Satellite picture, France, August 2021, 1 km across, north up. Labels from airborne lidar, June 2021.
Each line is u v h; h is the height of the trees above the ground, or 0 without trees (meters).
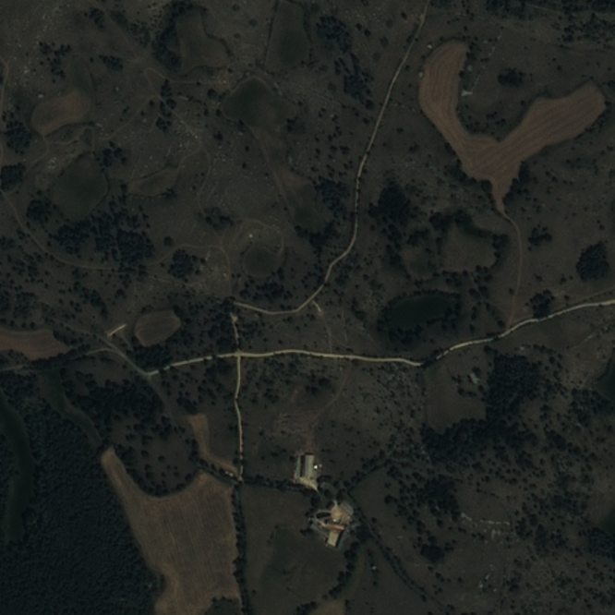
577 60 0
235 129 0
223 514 0
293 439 0
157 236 0
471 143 0
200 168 0
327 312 0
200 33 0
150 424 7
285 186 0
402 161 0
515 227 0
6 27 0
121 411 10
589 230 0
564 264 0
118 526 13
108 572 13
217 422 0
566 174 0
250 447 0
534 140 0
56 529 18
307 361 0
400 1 0
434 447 11
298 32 0
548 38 0
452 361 0
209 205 0
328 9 0
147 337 0
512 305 0
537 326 0
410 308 0
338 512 0
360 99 12
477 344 0
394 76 0
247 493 0
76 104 0
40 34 0
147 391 7
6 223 0
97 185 0
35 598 18
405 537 0
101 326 0
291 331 0
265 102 0
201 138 0
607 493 0
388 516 0
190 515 0
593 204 0
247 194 0
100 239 8
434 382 0
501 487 0
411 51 0
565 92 0
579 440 0
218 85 0
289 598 0
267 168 0
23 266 9
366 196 0
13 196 0
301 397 0
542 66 0
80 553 17
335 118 6
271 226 0
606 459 0
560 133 0
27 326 8
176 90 0
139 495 0
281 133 0
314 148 0
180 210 0
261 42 0
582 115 0
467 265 0
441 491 14
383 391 0
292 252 0
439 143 0
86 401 13
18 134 11
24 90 0
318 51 0
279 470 0
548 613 0
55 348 0
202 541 0
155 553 0
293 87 0
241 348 7
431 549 11
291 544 0
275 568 0
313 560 0
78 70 0
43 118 0
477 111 0
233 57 0
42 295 0
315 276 7
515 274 0
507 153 0
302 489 9
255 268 0
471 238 0
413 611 0
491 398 11
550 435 7
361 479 8
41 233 0
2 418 0
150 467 8
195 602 0
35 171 0
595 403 10
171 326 0
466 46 0
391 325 15
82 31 0
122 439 0
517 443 11
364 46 0
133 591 9
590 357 0
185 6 10
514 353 0
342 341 0
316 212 0
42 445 16
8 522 0
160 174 0
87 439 14
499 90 0
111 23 0
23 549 15
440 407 0
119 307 0
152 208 0
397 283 0
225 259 0
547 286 0
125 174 0
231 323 7
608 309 0
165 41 14
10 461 16
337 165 0
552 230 0
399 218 11
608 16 0
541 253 0
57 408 0
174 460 0
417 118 0
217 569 0
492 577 0
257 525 0
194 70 0
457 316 10
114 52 0
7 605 15
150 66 0
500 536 0
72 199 0
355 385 0
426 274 0
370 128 0
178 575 0
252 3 0
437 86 0
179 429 9
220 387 9
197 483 0
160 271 0
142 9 0
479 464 6
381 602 0
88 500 16
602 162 0
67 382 13
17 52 0
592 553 7
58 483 10
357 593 0
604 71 0
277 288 8
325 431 0
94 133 0
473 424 10
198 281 0
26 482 0
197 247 0
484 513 0
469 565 0
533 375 10
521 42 0
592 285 0
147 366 6
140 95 0
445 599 0
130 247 17
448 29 0
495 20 0
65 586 20
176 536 0
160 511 0
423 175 0
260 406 0
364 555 0
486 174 0
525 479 6
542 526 8
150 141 0
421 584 0
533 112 0
